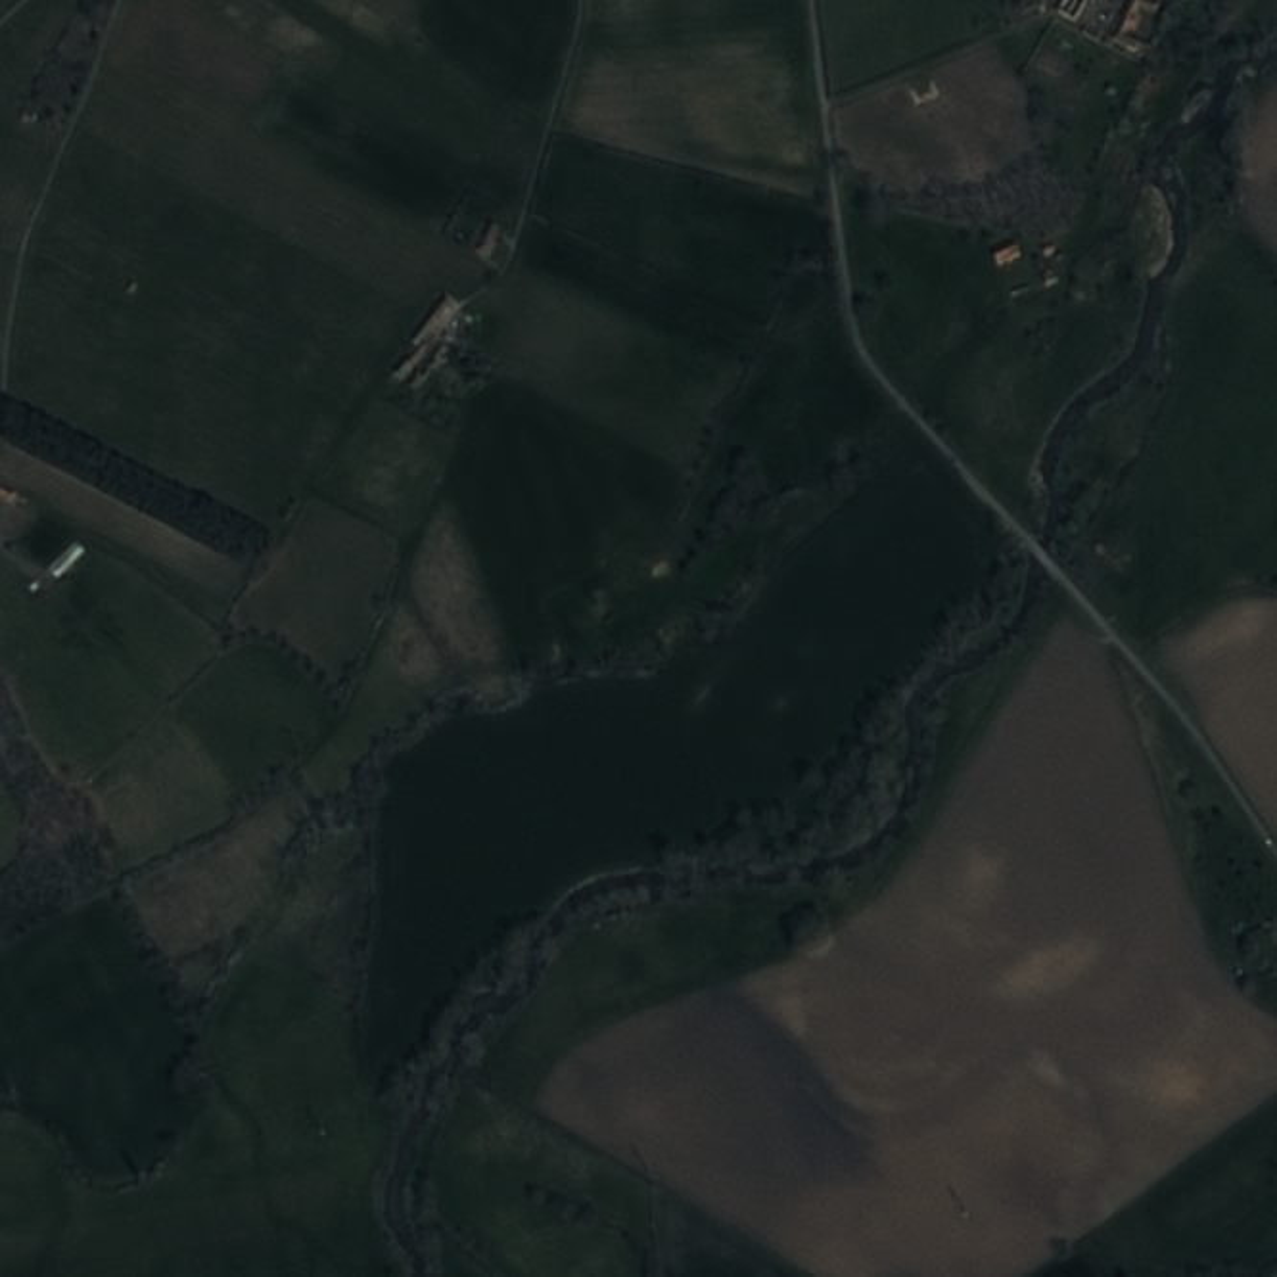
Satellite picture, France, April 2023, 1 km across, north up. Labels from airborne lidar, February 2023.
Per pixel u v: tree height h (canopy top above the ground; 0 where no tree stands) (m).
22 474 0
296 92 0
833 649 0
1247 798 0
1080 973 0
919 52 0
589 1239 0
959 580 0
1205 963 0
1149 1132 0
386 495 0
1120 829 0
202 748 0
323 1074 0
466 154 0
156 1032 0
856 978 0
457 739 0
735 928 0
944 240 0
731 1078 0
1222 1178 0
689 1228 0
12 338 0
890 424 0
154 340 0
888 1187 0
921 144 0
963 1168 0
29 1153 0
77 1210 0
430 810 0
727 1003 0
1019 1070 0
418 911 0
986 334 0
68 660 0
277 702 0
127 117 0
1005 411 0
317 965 0
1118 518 0
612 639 0
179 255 0
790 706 0
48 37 0
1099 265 0
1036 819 0
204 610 0
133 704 0
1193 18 27
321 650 0
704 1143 0
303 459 0
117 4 0
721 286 0
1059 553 7
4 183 0
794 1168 0
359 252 0
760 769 0
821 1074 0
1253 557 0
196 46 0
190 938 0
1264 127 0
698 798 0
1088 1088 0
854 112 0
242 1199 0
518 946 24
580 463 0
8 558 0
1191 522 0
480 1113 0
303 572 0
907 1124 0
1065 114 0
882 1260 0
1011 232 21
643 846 0
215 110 0
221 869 0
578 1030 0
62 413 0
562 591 0
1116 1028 0
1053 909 0
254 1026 0
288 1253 0
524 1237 0
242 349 0
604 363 0
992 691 0
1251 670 0
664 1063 0
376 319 0
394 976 0
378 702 0
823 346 0
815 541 0
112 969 0
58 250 0
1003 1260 0
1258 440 0
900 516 0
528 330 0
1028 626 11
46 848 11
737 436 0
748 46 0
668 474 0
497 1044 10
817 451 0
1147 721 0
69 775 12
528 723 0
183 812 0
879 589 0
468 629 0
